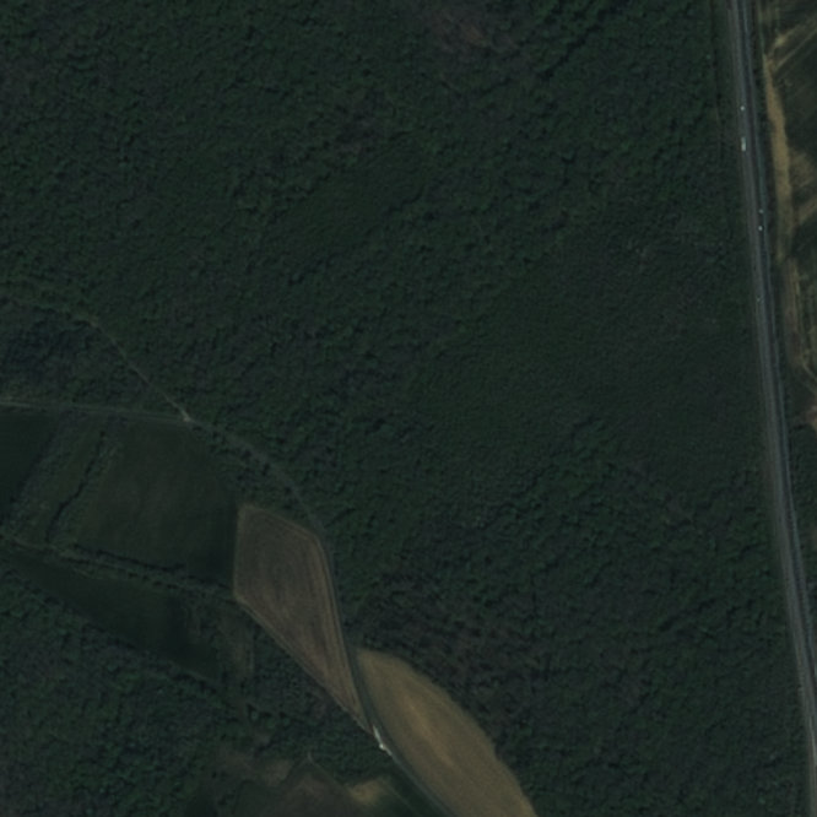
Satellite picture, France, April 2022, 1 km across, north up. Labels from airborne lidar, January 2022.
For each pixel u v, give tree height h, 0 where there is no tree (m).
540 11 30
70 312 15
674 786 27
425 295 25
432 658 22
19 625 24
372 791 0
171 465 0
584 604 28
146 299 16
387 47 21
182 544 0
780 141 0
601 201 26
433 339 21
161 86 23
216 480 0
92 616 0
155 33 22
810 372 0
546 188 23
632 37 24
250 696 9
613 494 23
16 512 8
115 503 0
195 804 0
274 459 18
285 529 0
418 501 22
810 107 0
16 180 21
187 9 21
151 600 0
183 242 20
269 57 22
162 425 0
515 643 23
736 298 16
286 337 19
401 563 0
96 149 18
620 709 28
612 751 26
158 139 20
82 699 17
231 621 0
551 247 24
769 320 0
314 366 24
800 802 10
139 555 0
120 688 26
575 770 21
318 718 15
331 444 22
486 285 22
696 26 24
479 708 0
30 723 22
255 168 19
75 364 20
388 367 21
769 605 20
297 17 21
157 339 18
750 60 0
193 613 0
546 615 27
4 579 23
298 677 14
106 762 26
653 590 21
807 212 0
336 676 0
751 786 20
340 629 0
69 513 13
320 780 0
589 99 21
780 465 0
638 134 26
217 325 23
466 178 23
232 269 20
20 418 0
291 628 0
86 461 0
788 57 0
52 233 19
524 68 29
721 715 24
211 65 22
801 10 0
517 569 23
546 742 25
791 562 0
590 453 17
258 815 0
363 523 19
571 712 31
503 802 0
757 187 0
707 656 23
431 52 25
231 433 14
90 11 22
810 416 0
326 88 22
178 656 0
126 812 28
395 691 0
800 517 9
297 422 18
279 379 20
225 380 19
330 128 21
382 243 21
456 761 0
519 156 19
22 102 22
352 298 22
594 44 24
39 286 18
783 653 14
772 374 0
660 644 27
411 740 0
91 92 21
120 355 19
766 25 0
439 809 0
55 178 23
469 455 0
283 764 0
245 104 22
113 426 11
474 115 25
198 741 13
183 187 18
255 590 0
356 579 21
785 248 0
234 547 0
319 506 19
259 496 16
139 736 13
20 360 26
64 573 0
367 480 23
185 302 24
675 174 18
